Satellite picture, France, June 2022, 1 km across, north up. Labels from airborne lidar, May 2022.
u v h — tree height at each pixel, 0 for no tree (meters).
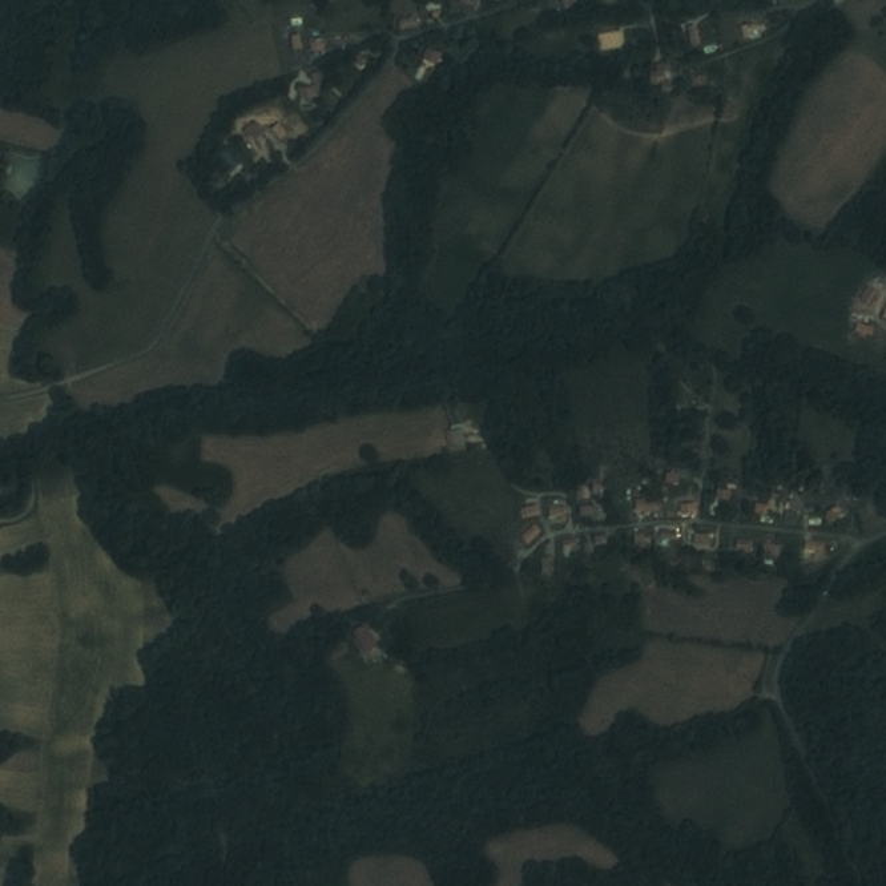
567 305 16
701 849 21
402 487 20
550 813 12
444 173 17
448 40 10
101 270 18
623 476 0
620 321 28
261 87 9
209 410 22
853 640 19
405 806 13
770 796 0
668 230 0
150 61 0
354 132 0
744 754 0
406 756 0
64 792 0
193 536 19
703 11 14
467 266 0
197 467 0
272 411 25
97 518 22
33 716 0
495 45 13
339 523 17
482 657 10
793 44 16
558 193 0
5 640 0
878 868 19
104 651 0
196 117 0
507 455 15
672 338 16
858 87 0
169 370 0
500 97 0
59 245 0
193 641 24
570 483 15
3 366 0
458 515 0
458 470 0
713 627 0
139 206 0
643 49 10
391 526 0
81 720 0
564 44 0
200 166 12
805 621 0
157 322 0
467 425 0
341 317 7
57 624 0
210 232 0
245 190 16
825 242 13
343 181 0
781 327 0
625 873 16
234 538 23
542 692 19
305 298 0
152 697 24
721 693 0
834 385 24
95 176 17
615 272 0
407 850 9
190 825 19
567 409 6
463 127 16
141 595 0
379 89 0
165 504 0
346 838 15
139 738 20
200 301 0
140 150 18
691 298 25
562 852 0
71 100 0
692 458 11
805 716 12
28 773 0
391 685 0
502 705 6
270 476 0
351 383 26
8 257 0
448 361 24
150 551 28
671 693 0
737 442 0
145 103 0
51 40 10
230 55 0
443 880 16
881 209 21
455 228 0
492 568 21
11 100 20
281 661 22
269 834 20
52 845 0
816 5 8
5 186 9
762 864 20
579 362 16
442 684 0
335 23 0
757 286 0
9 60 22
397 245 24
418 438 0
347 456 0
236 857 8
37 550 14
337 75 15
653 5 12
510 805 8
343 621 17
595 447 0
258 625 16
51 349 0
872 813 17
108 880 17
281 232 0
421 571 0
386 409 14
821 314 0
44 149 0
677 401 0
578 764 20
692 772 0
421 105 24
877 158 0
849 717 20
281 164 11
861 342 0
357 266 0
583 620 27
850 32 15
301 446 0
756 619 0
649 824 11
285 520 24
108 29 22
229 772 15
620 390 0
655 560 6
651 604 0
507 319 17
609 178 0
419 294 15
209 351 0
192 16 19
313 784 24
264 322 0
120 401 0
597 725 0
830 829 15
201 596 11
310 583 0
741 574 13
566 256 0
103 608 0
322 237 0
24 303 15
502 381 25
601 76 19
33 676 0
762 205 18
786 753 9
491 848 0
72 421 19
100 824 14
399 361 22
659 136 0
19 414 0
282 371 23
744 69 0
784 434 15
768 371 24
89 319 0
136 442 18
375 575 0
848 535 0
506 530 0
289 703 19
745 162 19
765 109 14
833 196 0
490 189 0
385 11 8
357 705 0
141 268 0
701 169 0
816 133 0
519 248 0
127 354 0
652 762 8
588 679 17
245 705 19
